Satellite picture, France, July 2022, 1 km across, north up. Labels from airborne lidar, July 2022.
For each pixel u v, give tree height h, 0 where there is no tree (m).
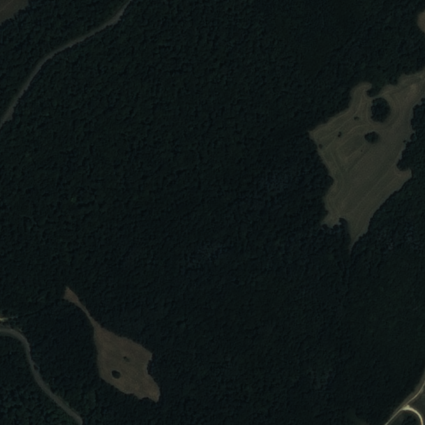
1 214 19
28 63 22
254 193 19
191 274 28
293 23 10
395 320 20
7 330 0
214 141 21
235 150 24
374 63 16
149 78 26
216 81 20
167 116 23
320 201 7
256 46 19
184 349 31
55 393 25
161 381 22
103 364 0
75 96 20
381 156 0
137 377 0
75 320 35
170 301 20
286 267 26
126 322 25
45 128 25
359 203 0
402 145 0
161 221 24
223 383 20
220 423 24
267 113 25
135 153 23
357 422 0
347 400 16
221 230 26
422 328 19
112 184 28
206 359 24
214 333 31
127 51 20
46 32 25
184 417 24
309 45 12
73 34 22
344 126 0
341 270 27
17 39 26
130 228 28
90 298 20
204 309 28
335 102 25
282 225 32
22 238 23
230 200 21
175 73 25
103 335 0
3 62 28
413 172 10
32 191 29
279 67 20
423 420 0
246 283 27
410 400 0
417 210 20
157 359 26
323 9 15
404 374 20
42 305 21
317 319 14
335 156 0
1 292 20
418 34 22
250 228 21
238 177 24
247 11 24
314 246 24
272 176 29
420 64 14
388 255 22
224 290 31
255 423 19
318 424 21
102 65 27
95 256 24
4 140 17
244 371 26
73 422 13
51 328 29
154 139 11
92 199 23
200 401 26
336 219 0
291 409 21
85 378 29
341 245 15
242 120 25
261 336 26
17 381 27
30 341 24
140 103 22
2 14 0
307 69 14
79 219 24
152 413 24
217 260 24
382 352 18
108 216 21
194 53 23
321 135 0
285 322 17
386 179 0
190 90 24
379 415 22
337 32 14
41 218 25
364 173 0
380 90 6
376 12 21
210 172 21
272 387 23
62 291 21
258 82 22
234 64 24
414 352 18
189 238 23
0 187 25
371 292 22
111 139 20
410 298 18
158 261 27
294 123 23
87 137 26
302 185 27
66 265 22
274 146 13
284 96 28
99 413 30
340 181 0
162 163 24
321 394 19
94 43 21
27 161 24
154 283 23
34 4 22
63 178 24
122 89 24
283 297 25
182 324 32
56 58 12
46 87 18
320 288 29
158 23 27
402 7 20
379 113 25
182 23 27
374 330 17
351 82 18
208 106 23
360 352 22
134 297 22
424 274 20
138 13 26
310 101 20
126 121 24
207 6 22
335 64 21
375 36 26
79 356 25
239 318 28
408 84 0
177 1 23
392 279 20
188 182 26
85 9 30
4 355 14
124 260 20
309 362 16
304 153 27
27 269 20
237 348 24
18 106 12
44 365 23
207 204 26
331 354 11
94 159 27
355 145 0
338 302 32
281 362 25
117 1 27
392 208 15
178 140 27
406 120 0
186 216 18
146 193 30
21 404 33
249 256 29
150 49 25
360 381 19
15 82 24
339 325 21
